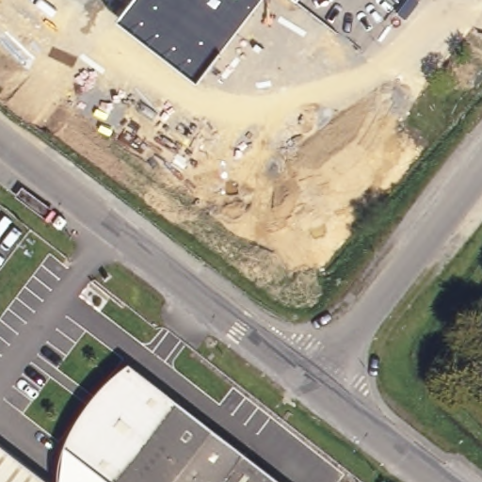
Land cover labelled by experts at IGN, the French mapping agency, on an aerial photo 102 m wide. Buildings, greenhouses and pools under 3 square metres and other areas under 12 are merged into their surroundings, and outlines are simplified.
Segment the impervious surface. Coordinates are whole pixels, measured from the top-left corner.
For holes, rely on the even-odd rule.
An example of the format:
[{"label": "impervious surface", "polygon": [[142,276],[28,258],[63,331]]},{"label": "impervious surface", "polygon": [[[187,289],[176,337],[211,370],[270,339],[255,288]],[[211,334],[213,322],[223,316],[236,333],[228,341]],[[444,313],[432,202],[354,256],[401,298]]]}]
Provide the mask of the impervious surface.
[{"label": "impervious surface", "polygon": [[[262,371],[262,375],[271,378],[279,388],[282,388],[282,399],[286,405],[303,405],[305,409],[311,410],[316,418],[324,420],[337,433],[341,433],[346,441],[356,444],[361,452],[371,456],[380,467],[386,469],[386,473],[392,474],[401,482],[482,482],[482,471],[461,454],[442,452],[441,448],[431,444],[426,437],[422,437],[416,429],[412,429],[405,420],[401,420],[388,409],[377,388],[377,354],[369,354],[369,348],[375,341],[378,328],[384,324],[386,318],[390,318],[399,301],[418,279],[426,273],[427,277],[437,281],[441,277],[444,265],[458,254],[463,243],[473,235],[474,230],[482,222],[482,120],[469,134],[465,134],[456,151],[446,158],[442,168],[433,175],[433,179],[418,196],[418,200],[410,205],[403,220],[395,226],[392,235],[382,243],[382,247],[375,249],[373,258],[361,269],[356,286],[346,294],[346,297],[337,299],[329,309],[314,314],[311,322],[290,324],[277,314],[258,307],[254,301],[250,301],[247,294],[235,288],[232,282],[226,281],[215,269],[207,267],[201,260],[188,254],[181,245],[171,241],[166,233],[160,232],[153,222],[141,217],[130,205],[119,200],[115,194],[111,194],[98,181],[94,181],[83,169],[77,168],[72,160],[51,149],[40,137],[32,136],[15,122],[11,122],[0,111],[0,186],[11,190],[17,200],[23,201],[26,207],[30,207],[40,217],[45,218],[47,224],[55,226],[56,230],[64,230],[66,235],[70,235],[75,241],[75,252],[68,260],[55,262],[53,258],[43,258],[38,269],[24,282],[21,292],[0,316],[0,448],[8,452],[11,458],[17,459],[28,471],[40,476],[43,482],[58,482],[62,450],[55,444],[51,446],[51,431],[40,429],[34,420],[28,418],[26,410],[34,403],[34,399],[40,397],[43,386],[51,380],[64,390],[68,390],[70,394],[75,392],[79,384],[60,371],[62,358],[66,358],[75,346],[81,343],[83,335],[92,335],[109,352],[115,348],[124,350],[128,354],[124,361],[126,367],[134,369],[137,375],[149,380],[162,394],[168,395],[171,401],[185,407],[205,426],[211,427],[224,441],[230,442],[233,448],[237,448],[241,454],[252,459],[265,473],[271,474],[279,482],[363,482],[360,476],[346,471],[343,465],[329,458],[322,448],[318,448],[313,441],[309,441],[305,435],[301,435],[297,429],[290,426],[290,414],[284,414],[282,418],[277,416],[254,395],[241,388],[237,380],[230,377],[226,371],[222,371],[217,363],[213,363],[215,356],[203,356],[200,345],[217,346],[220,343],[230,346],[243,360],[249,361],[250,365]],[[164,326],[154,335],[153,341],[137,343],[136,339],[132,339],[128,333],[124,333],[117,324],[113,324],[102,314],[107,303],[113,303],[119,309],[126,303],[124,299],[102,288],[98,282],[88,281],[88,275],[96,271],[100,271],[100,277],[105,277],[105,264],[124,265],[126,269],[136,273],[139,279],[151,284],[154,290],[164,297]],[[201,365],[205,365],[215,377],[220,378],[230,388],[222,401],[213,401],[209,395],[203,394],[200,388],[196,388],[190,380],[186,380],[175,371],[173,361],[183,348],[190,348],[190,356],[200,361]]]},{"label": "impervious surface", "polygon": [[147,45],[143,45],[120,26],[115,15],[122,11],[130,0],[0,0],[0,102],[8,105],[9,109],[13,109],[23,119],[53,130],[53,134],[60,137],[66,145],[70,145],[81,156],[85,156],[94,166],[104,169],[109,177],[126,186],[130,192],[143,198],[158,215],[181,226],[185,232],[196,235],[209,249],[222,254],[228,260],[228,264],[237,267],[247,279],[256,282],[277,301],[292,307],[313,307],[322,294],[318,273],[324,271],[331,256],[345,245],[350,235],[352,220],[360,213],[373,215],[373,209],[378,203],[388,200],[384,190],[388,190],[394,183],[399,183],[410,168],[410,164],[422,153],[422,149],[416,147],[409,137],[407,117],[412,105],[416,104],[418,96],[426,88],[427,75],[452,70],[458,77],[459,87],[467,90],[474,87],[474,77],[482,73],[482,0],[258,0],[258,4],[247,15],[247,19],[239,24],[232,38],[226,41],[226,45],[207,66],[200,79],[190,81],[164,58],[153,53]]},{"label": "impervious surface", "polygon": [[17,241],[19,232],[13,232],[9,228],[9,218],[13,215],[8,207],[0,205],[0,269],[2,264],[8,262],[11,256],[9,247]]}]

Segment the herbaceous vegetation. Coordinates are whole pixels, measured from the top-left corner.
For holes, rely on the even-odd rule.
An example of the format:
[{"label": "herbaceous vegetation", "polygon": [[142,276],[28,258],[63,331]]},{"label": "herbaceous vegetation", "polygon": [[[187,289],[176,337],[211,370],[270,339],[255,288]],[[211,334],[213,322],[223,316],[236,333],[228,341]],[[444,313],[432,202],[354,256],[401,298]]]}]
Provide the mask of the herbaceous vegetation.
[{"label": "herbaceous vegetation", "polygon": [[183,348],[173,361],[175,371],[186,380],[190,380],[196,388],[200,388],[203,394],[209,395],[213,401],[222,401],[230,388],[220,378],[215,377],[205,365],[201,365],[200,361],[190,356],[190,348]]},{"label": "herbaceous vegetation", "polygon": [[154,290],[151,284],[139,279],[136,273],[126,269],[124,265],[105,264],[105,277],[100,277],[100,271],[96,271],[88,275],[88,281],[98,282],[102,288],[124,299],[126,303],[119,309],[113,303],[107,303],[102,314],[113,324],[117,324],[124,333],[128,333],[132,339],[136,339],[137,343],[153,341],[154,335],[164,326],[164,297]]},{"label": "herbaceous vegetation", "polygon": [[64,390],[51,380],[43,386],[40,397],[34,399],[34,403],[26,410],[28,418],[34,420],[40,429],[51,431],[51,446],[55,444],[62,450],[75,420],[87,407],[88,401],[98,394],[98,390],[109,378],[115,377],[120,369],[126,367],[124,361],[128,354],[124,350],[115,348],[109,352],[92,335],[83,335],[81,343],[75,346],[66,358],[62,358],[60,371],[79,384],[75,392],[70,394],[68,390]]},{"label": "herbaceous vegetation", "polygon": [[459,409],[448,409],[442,401],[437,401],[435,397],[426,394],[420,386],[420,380],[416,378],[416,354],[420,339],[429,331],[437,329],[437,318],[433,316],[431,305],[442,288],[442,282],[450,281],[452,277],[474,282],[482,281],[482,222],[474,230],[473,235],[463,243],[458,254],[444,265],[441,277],[437,281],[427,277],[426,273],[418,279],[399,301],[390,318],[386,318],[384,324],[378,328],[375,341],[369,348],[369,354],[377,354],[377,388],[388,409],[401,420],[405,420],[412,429],[416,429],[422,437],[426,437],[431,444],[441,448],[442,452],[461,454],[482,471],[482,414],[476,409],[471,409],[469,405]]},{"label": "herbaceous vegetation", "polygon": [[407,117],[409,137],[416,147],[422,149],[422,153],[410,164],[410,168],[399,183],[394,183],[388,190],[384,190],[388,200],[378,203],[373,209],[373,215],[360,213],[352,220],[350,235],[345,245],[331,256],[324,271],[318,273],[322,294],[313,307],[292,307],[277,301],[256,282],[247,279],[237,267],[228,264],[228,260],[222,254],[209,249],[196,235],[185,232],[181,226],[158,215],[143,198],[130,192],[126,186],[109,177],[104,169],[94,166],[85,156],[81,156],[70,145],[66,145],[60,137],[53,134],[53,130],[23,119],[13,109],[9,109],[8,105],[0,102],[0,111],[11,122],[15,122],[32,136],[40,137],[51,149],[72,160],[77,168],[83,169],[94,181],[98,181],[111,194],[115,194],[119,200],[130,205],[141,217],[153,222],[160,232],[166,233],[171,241],[181,245],[188,254],[201,260],[207,267],[215,269],[226,281],[232,282],[235,288],[247,294],[250,301],[254,301],[258,307],[277,314],[290,324],[311,322],[314,314],[329,309],[337,299],[346,297],[346,294],[356,286],[361,269],[373,258],[375,249],[382,247],[382,243],[392,235],[395,226],[403,220],[410,205],[418,200],[418,196],[433,179],[433,175],[442,168],[446,158],[456,151],[465,134],[469,134],[482,120],[482,73],[474,77],[474,87],[467,90],[459,87],[458,77],[452,70],[427,75],[426,88],[418,96],[416,104],[412,105]]},{"label": "herbaceous vegetation", "polygon": [[9,247],[11,256],[8,262],[2,264],[0,269],[0,316],[21,292],[24,282],[38,269],[43,258],[53,258],[55,262],[68,260],[75,252],[75,241],[70,235],[66,235],[64,230],[56,230],[55,226],[47,224],[45,218],[40,217],[30,207],[26,207],[23,201],[17,200],[11,190],[0,186],[0,205],[8,207],[13,215],[9,218],[9,228],[13,232],[19,232],[17,241]]},{"label": "herbaceous vegetation", "polygon": [[297,429],[301,435],[305,435],[309,441],[313,441],[318,448],[322,448],[329,458],[343,465],[346,471],[360,476],[363,482],[401,482],[392,474],[386,473],[386,469],[380,467],[371,456],[361,452],[356,444],[346,441],[341,433],[337,433],[324,420],[316,418],[311,410],[305,409],[303,405],[286,405],[282,399],[282,388],[279,388],[271,378],[262,375],[262,371],[250,365],[249,361],[243,360],[230,346],[220,343],[217,346],[200,345],[203,356],[215,356],[213,363],[217,363],[222,371],[226,371],[230,377],[237,380],[241,388],[254,395],[277,416],[282,418],[284,414],[290,414],[290,426]]}]

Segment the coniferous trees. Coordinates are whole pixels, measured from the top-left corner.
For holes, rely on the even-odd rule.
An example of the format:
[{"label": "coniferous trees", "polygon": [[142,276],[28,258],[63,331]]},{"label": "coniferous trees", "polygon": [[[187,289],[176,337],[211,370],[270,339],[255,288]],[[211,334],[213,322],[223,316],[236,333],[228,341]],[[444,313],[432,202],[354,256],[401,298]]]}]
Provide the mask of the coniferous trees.
[{"label": "coniferous trees", "polygon": [[435,397],[437,401],[442,401],[448,409],[459,409],[469,405],[471,409],[476,409],[482,414],[482,281],[474,282],[452,277],[450,281],[442,282],[442,288],[431,305],[433,316],[437,318],[437,329],[429,331],[420,339],[416,354],[416,378],[420,380],[420,386],[426,394]]}]

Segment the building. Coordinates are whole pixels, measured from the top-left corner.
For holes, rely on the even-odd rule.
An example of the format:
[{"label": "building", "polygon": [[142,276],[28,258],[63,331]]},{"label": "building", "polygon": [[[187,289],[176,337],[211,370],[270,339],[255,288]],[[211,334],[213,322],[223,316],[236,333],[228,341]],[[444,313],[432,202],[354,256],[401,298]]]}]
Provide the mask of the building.
[{"label": "building", "polygon": [[226,45],[226,41],[232,38],[239,24],[247,19],[247,15],[258,4],[258,0],[130,0],[122,11],[115,15],[120,26],[143,45],[147,45],[153,53],[164,58],[190,81],[200,79],[207,66]]},{"label": "building", "polygon": [[120,369],[115,377],[109,378],[98,390],[98,394],[88,401],[87,407],[75,420],[62,450],[58,482],[279,482],[271,474],[265,473],[252,459],[241,454],[237,448],[233,448],[230,442],[224,441],[211,427],[205,426],[185,407],[171,401],[168,395],[162,394],[149,380],[137,375],[134,369],[126,367]]},{"label": "building", "polygon": [[11,458],[8,452],[0,448],[0,482],[43,482],[40,476],[28,471],[17,459]]}]

